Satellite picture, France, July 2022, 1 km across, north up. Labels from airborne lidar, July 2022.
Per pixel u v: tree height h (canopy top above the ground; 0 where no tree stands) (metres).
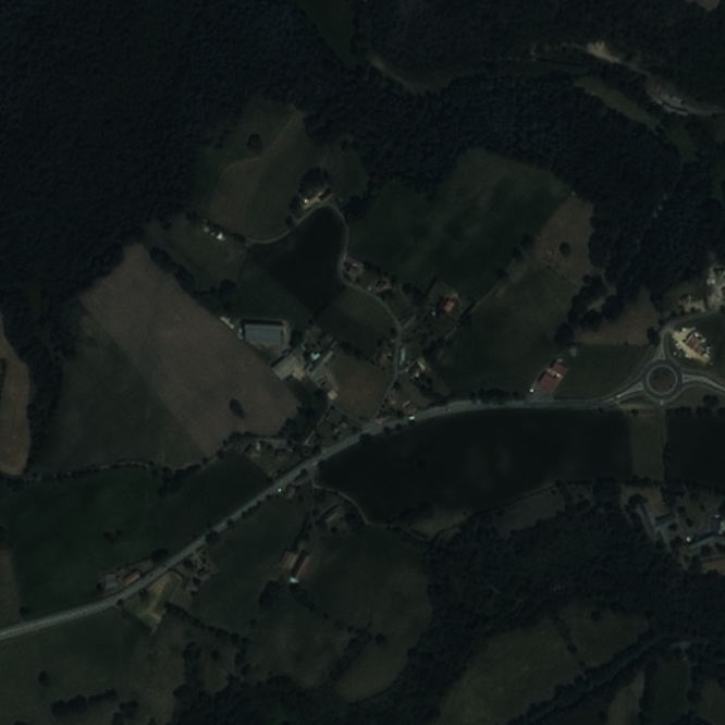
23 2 21
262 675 0
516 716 0
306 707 15
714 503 0
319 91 17
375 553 0
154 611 0
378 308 0
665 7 12
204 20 16
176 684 0
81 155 17
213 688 0
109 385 0
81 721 0
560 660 0
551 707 10
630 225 24
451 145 14
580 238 0
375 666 0
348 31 0
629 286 25
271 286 0
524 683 0
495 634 8
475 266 0
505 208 0
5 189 18
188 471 9
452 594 10
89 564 0
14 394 0
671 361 0
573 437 0
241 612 0
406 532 6
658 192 27
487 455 0
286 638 0
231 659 0
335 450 0
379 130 18
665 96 0
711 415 12
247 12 17
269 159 0
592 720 0
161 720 0
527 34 16
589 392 0
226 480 0
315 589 0
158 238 0
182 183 22
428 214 0
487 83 25
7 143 17
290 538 0
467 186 0
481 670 0
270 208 0
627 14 13
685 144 0
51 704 0
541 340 0
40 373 16
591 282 12
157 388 0
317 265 0
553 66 0
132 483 0
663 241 28
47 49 14
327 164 0
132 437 0
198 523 0
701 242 22
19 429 0
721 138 0
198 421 0
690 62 19
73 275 19
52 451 0
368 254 0
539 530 10
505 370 0
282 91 12
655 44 13
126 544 0
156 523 0
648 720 22
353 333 0
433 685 13
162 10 22
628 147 18
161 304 0
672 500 17
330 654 0
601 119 23
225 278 0
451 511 0
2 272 25
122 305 0
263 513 0
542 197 0
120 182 24
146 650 0
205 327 0
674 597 9
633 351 0
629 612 20
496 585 14
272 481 9
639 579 21
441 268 0
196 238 0
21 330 19
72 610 0
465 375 0
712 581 18
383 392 0
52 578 0
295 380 0
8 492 0
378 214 0
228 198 0
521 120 15
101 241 28
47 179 15
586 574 17
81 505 0
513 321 0
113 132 21
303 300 0
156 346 0
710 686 0
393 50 15
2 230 18
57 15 20
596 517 14
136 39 21
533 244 18
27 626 0
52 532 0
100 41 20
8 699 0
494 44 20
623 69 14
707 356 0
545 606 14
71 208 17
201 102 13
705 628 15
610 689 19
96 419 0
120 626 0
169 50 23
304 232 0
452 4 9
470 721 0
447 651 20
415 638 0
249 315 0
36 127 15
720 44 20
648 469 0
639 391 0
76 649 0
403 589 0
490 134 20
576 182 18
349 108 22
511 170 0
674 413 9
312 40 23
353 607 0
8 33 24
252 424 0
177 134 20
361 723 6
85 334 0
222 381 0
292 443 10
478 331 0
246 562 0
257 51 20
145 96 24
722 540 0
